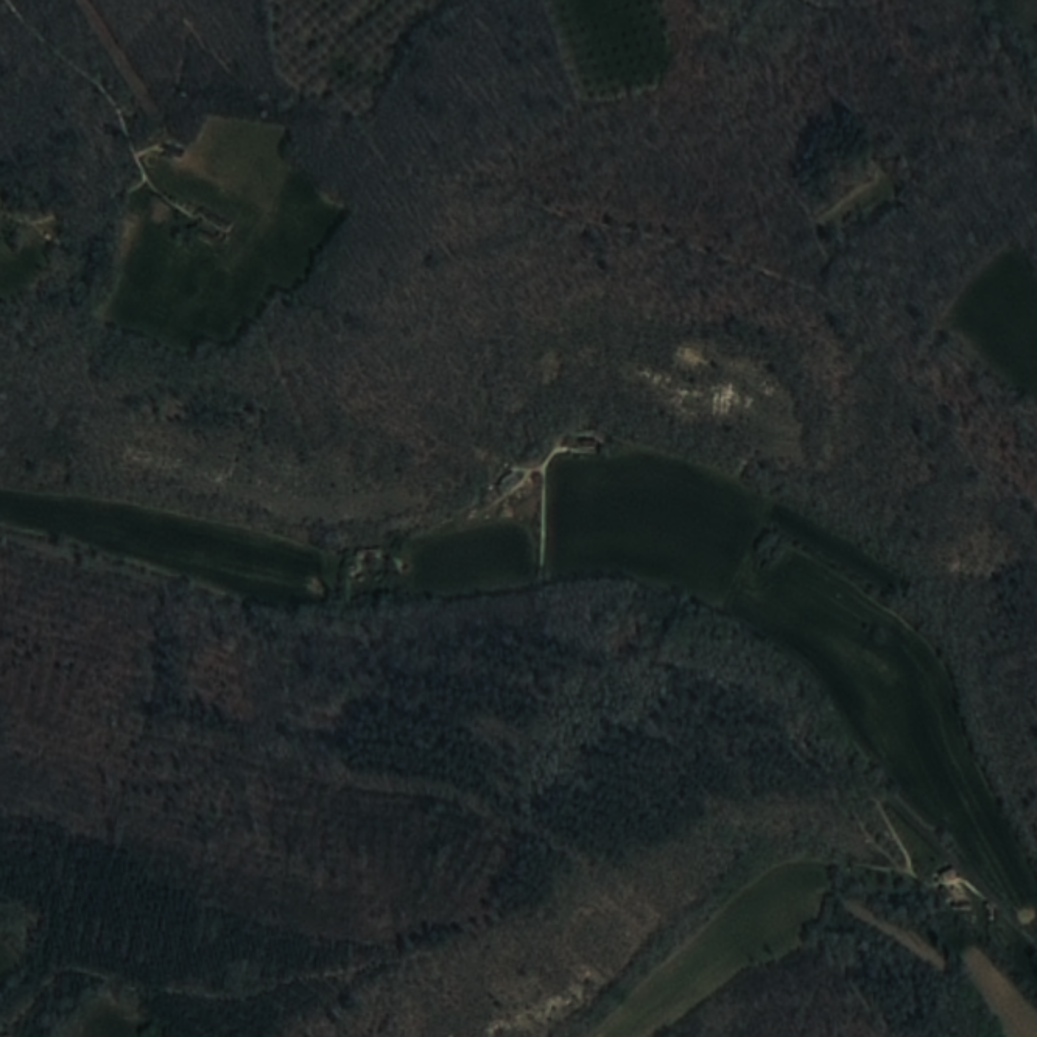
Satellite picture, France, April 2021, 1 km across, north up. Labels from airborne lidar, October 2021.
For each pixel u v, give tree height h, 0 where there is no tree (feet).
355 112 45
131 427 58
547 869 66
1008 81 75
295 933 25
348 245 59
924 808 0
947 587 38
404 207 64
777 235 34
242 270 0
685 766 81
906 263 57
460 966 60
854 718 0
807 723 71
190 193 0
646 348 24
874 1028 39
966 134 73
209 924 40
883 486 24
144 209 0
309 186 41
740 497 0
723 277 30
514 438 55
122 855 32
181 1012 27
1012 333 0
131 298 0
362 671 52
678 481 0
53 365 57
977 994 66
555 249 65
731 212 34
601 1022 49
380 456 43
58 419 32
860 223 35
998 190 57
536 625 32
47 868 24
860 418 46
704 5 60
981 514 34
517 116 63
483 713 73
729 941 0
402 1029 58
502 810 89
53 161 65
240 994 34
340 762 81
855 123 71
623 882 49
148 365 73
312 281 44
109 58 47
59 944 29
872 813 47
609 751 86
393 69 32
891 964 49
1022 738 45
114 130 64
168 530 0
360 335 72
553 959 26
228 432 34
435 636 72
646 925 33
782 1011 22
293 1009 28
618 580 45
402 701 84
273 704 35
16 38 59
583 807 83
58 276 41
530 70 68
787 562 0
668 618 39
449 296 67
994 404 52
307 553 0
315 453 27
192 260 0
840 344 61
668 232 21
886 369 53
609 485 0
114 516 0
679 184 35
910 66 22
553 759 62
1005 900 0
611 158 33
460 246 62
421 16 34
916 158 61
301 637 57
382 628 46
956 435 47
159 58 46
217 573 0
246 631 53
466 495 61
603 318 51
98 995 50
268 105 44
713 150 31
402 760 78
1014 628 24
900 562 59
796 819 49
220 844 21
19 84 62
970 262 46
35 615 19
